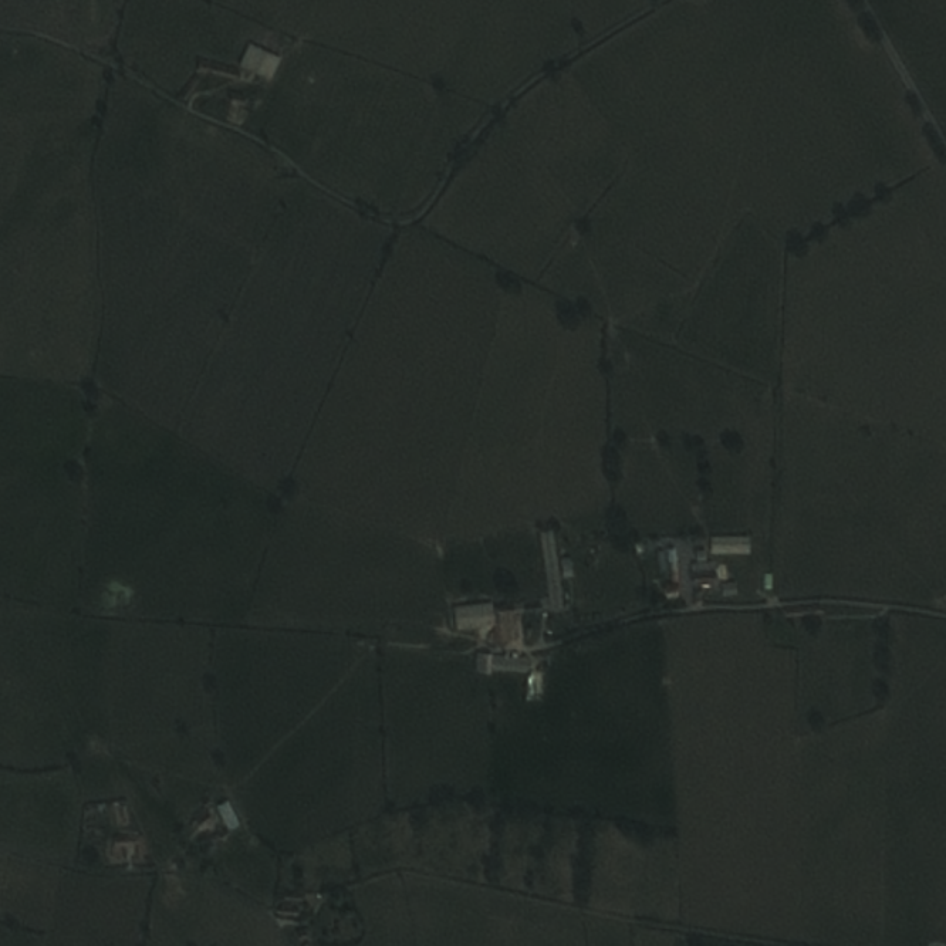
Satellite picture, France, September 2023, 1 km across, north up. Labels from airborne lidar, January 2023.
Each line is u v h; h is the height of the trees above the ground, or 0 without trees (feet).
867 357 0
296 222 0
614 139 0
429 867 0
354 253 0
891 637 50
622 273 0
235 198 0
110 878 0
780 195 0
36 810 0
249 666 0
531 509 0
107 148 0
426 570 0
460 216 0
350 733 0
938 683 0
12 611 0
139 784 0
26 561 0
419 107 0
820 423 0
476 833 0
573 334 0
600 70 0
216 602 0
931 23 0
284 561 0
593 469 0
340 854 0
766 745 0
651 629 0
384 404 0
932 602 0
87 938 0
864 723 0
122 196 0
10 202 0
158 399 0
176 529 0
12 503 0
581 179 0
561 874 0
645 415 0
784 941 0
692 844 0
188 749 0
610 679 0
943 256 0
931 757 0
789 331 0
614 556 0
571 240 0
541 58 0
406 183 0
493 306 0
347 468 0
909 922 0
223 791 0
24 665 0
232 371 0
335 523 0
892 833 0
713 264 0
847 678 0
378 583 0
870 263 0
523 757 0
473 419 0
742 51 0
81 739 0
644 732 0
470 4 0
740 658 0
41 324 0
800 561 0
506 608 0
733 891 0
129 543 0
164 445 0
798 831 0
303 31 0
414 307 0
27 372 0
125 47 0
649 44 0
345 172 0
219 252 0
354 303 0
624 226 0
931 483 0
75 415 0
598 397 0
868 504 0
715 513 0
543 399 0
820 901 0
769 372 0
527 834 0
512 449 0
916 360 0
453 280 0
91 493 0
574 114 0
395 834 0
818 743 0
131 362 0
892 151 0
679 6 0
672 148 0
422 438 0
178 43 0
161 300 0
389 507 0
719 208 0
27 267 0
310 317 0
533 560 0
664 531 0
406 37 0
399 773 0
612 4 0
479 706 0
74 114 0
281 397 0
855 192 0
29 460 0
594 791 0
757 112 0
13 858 0
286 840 0
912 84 0
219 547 0
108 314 0
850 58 0
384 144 0
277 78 0
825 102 0
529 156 0
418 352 0
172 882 0
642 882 0
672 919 0
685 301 0
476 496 0
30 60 0
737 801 0
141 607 0
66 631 0
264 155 0
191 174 0
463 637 0
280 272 0
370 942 0
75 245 0
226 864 0
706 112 0
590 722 0
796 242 51
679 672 0
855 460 0
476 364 0
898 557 0
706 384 0
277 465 0
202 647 0
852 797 0
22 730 0
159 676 0
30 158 0
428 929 0
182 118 0
